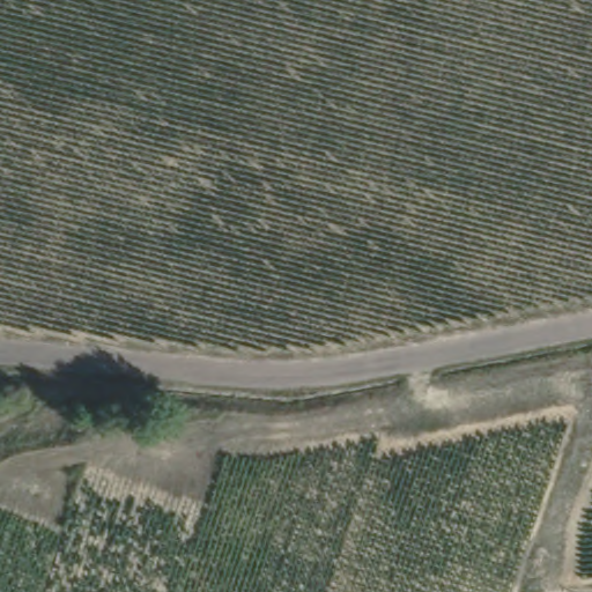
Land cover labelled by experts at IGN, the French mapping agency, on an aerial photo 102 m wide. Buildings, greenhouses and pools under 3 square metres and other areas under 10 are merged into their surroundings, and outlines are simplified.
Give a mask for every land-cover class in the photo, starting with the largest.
<instances>
[{"label":"vineyard","instance_id":"1","mask_svg":"<svg viewBox=\"0 0 592 592\"><path fill-rule=\"evenodd\" d=\"M592 310V0H0V340L12 338L21 342H35L44 338V342L69 345L79 356L109 352L111 356L123 358L127 349L180 354L187 347H192L197 354L217 358H328L384 347H402L405 342H426L437 335L479 331L490 326H513L530 319ZM578 389L583 393L578 407L555 405L523 414L497 416L488 421L460 423L432 432H419L407 437L386 435L379 442L375 437H368L358 442L317 446L308 451H217L210 474L201 472L199 476H190L183 472H167L157 488L136 483L132 479H123L104 467H83L79 463L67 465L62 467V509L56 518L60 525L58 534L42 527L35 520H23L21 516L0 509V592H592V368L580 370Z\"/></svg>","mask_w":592,"mask_h":592},{"label":"herbaceous vegetation","instance_id":"2","mask_svg":"<svg viewBox=\"0 0 592 592\"><path fill-rule=\"evenodd\" d=\"M592 368V340L520 352L493 361L442 365L432 370L430 379L423 372H414L409 379L405 375H393L338 386L303 389H247L157 379L153 375L141 372L123 358L111 356L109 352L79 356L69 363H58L49 372L28 365L0 368V509L21 516L23 520H35L42 527L58 534L60 525L56 518L62 509V467L67 465L79 463L83 467H104L123 479H132L136 483L157 488L167 472H183L190 476H199L201 472L210 474L217 451H308L317 446L358 442L368 437H375L379 442L386 435L407 437L419 432H432L460 423L488 421L497 416L523 414L555 405L578 407L583 393L578 389L580 370Z\"/></svg>","mask_w":592,"mask_h":592},{"label":"impervious surface","instance_id":"3","mask_svg":"<svg viewBox=\"0 0 592 592\"><path fill-rule=\"evenodd\" d=\"M592 340V310L530 319L513 326H490L479 331L437 335L426 342H405L402 347H384L328 358H217L197 354L192 347H187L180 354L127 349L123 358L141 372L153 375L157 379L247 389H303L338 386L393 375H405L409 379L414 372H423L430 379L432 370L442 365L493 361L520 352ZM79 356L69 345L44 342V338L35 342H21L12 338L0 340V368L28 365L49 372L58 363H69Z\"/></svg>","mask_w":592,"mask_h":592}]
</instances>
